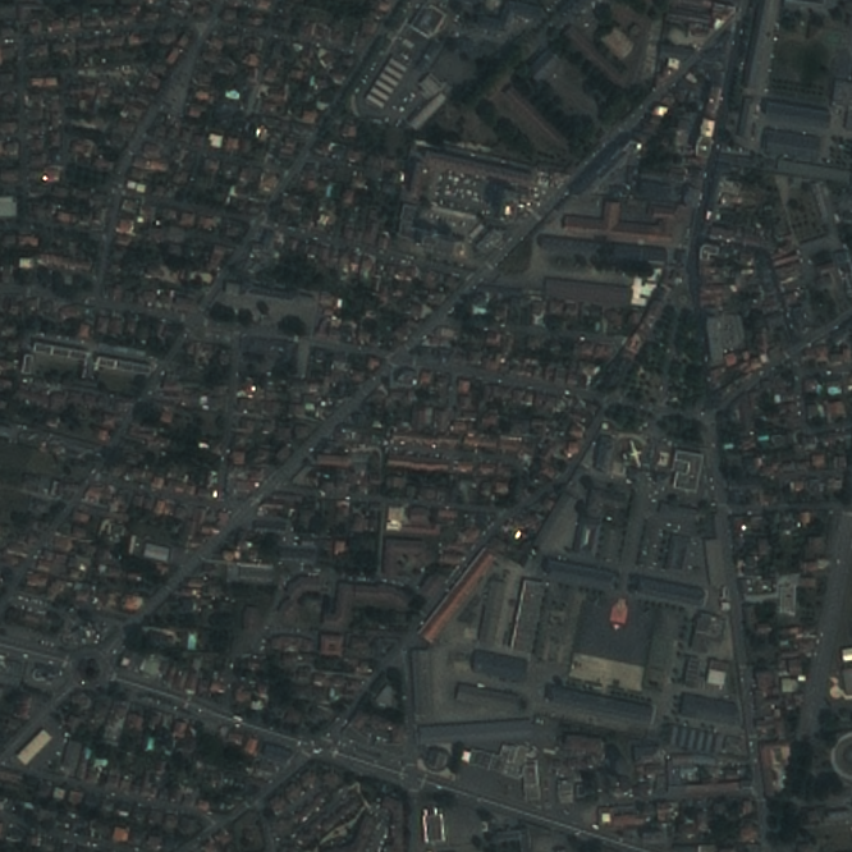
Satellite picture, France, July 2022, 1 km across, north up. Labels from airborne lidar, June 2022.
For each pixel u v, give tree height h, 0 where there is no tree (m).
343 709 10
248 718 14
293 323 13
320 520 16
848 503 9
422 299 6
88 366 0
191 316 0
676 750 0
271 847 0
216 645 11
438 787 0
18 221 8
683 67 0
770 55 0
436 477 9
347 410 0
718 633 0
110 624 0
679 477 0
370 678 0
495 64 18
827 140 0
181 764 7
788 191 0
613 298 0
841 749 0
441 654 0
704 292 0
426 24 0
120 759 6
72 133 10
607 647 0
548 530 0
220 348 7
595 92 13
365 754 0
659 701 0
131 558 8
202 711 0
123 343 7
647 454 0
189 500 0
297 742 0
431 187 0
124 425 0
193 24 0
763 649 17
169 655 6
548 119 15
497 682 0
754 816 8
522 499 0
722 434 7
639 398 12
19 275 12
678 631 0
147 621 9
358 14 6
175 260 17
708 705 0
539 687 0
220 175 9
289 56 15
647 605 6
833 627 0
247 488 0
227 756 9
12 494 0
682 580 0
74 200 7
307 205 11
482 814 16
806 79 0
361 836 0
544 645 0
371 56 11
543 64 0
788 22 12
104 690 11
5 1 8
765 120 0
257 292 0
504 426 11
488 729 0
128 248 7
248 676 11
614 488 9
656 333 7
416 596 7
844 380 0
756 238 0
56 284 12
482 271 0
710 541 0
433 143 9
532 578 0
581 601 0
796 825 17
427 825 0
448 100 9
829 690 0
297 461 0
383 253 0
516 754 0
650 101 0
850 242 9
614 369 9
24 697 0
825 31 0
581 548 0
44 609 0
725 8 0
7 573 14
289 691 9
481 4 9
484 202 0
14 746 0
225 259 5
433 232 0
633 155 0
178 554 0
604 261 14
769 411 8
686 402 17
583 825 0
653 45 0
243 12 14
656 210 0
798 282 0
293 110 7
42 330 10
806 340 0
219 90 6
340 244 0
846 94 0
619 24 6
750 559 0
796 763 13
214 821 0
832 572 0
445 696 0
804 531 5
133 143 0
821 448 7
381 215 11
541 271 0
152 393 0
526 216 0
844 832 0
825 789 18
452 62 0
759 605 8
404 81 0
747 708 0
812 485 0
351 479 0
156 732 7
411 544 0
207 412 0
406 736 0
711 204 0
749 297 8
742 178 7
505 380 0
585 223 0
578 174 0
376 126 8
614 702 0
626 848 0
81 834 11
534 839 0
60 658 0
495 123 14
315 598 9
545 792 0
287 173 0
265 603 0
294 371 13
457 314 9
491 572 0
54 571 0
